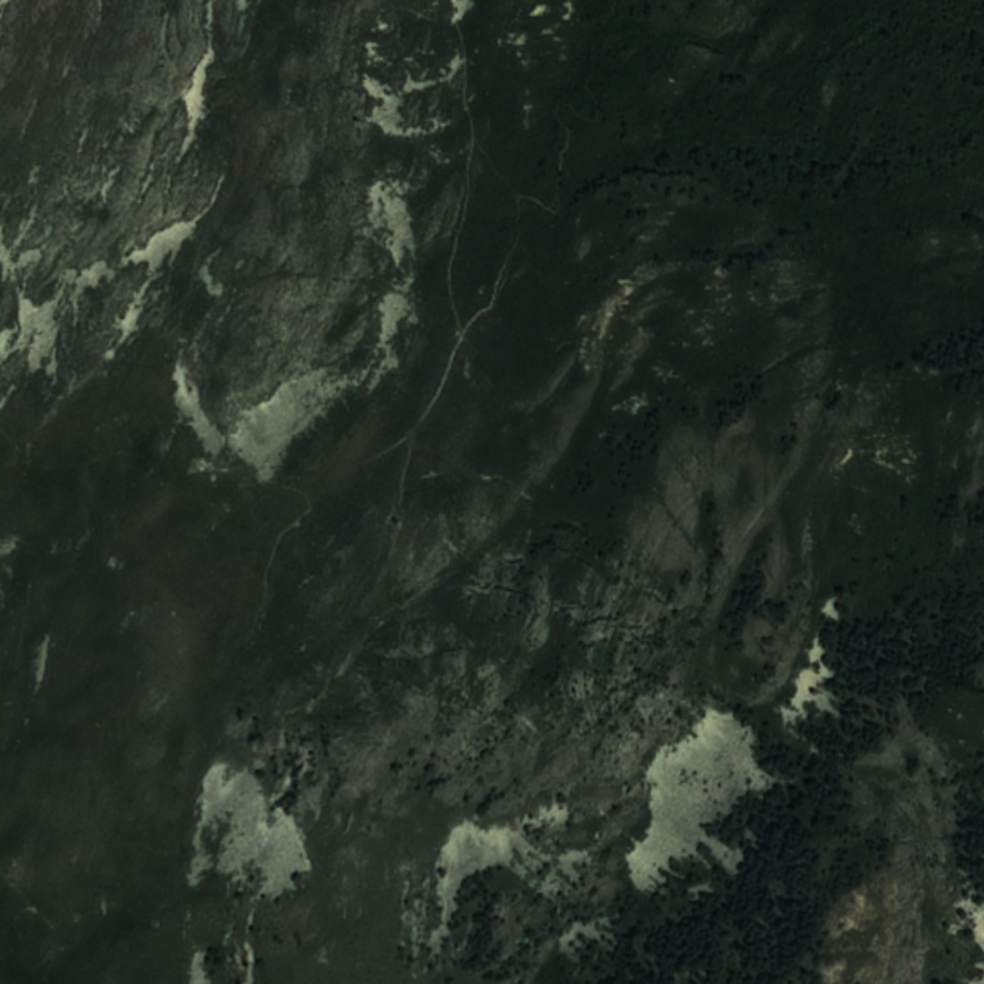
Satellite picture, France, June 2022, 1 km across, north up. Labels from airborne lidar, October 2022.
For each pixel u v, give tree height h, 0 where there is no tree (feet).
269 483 0
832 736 35
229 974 0
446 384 0
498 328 0
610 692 22
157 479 0
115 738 0
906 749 0
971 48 27
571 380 0
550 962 0
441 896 0
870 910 0
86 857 0
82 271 0
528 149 0
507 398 0
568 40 0
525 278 0
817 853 24
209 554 0
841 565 0
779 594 0
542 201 0
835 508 0
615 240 0
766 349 0
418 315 0
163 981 0
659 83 0
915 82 28
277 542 0
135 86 0
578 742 0
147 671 0
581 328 0
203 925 0
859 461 0
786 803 50
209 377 0
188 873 0
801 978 23
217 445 0
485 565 0
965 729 0
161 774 0
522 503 0
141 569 0
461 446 0
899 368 35
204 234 0
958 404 0
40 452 0
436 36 0
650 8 36
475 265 0
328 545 0
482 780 22
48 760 0
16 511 0
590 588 0
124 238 0
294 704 0
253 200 0
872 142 22
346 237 0
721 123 19
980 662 65
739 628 32
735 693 0
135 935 0
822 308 0
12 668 0
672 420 0
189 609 0
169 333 0
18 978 0
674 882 20
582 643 28
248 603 0
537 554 28
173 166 0
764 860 92
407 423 0
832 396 28
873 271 0
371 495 0
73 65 0
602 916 24
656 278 0
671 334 0
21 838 0
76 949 0
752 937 89
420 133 0
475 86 0
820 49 21
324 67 0
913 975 0
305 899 0
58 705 0
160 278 0
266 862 0
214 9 0
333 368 0
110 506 0
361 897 0
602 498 0
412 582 0
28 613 0
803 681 0
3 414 0
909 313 0
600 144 0
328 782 0
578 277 0
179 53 0
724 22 0
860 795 0
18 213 0
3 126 0
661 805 0
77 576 0
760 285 33
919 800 0
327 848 0
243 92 0
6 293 0
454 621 0
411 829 0
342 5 0
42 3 0
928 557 0
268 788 0
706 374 0
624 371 0
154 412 0
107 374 0
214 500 0
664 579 0
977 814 48
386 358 0
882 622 28
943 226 0
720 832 27
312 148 0
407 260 0
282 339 0
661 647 47
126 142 0
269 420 0
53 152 0
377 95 0
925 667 43
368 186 0
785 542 0
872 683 61
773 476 0
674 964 81
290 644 0
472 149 0
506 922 26
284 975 0
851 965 0
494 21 0
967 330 24
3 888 0
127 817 0
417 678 0
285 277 0
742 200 43
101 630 0
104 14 0
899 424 0
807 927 51
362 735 0
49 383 0
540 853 0
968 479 0
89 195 0
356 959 0
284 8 0
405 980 0
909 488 0
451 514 0
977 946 0
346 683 0
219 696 0
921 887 48
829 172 62
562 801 39
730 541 0
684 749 0
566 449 0
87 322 0
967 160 22
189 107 0
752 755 0
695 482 0
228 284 0
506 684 0
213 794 0
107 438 0
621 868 0
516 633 0
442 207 0
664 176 30
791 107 20
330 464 0
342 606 0
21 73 0
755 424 0
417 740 0
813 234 46
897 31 19
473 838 0
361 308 0
